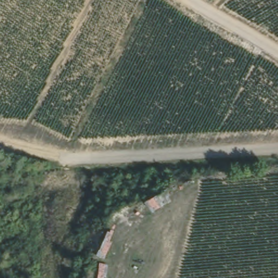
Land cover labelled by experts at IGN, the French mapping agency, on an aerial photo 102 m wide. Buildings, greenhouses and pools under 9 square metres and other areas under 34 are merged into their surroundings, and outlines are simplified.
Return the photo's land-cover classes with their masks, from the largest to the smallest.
<instances>
[{"label":"vineyard","instance_id":"1","mask_svg":"<svg viewBox=\"0 0 278 278\"><path fill-rule=\"evenodd\" d=\"M0 134L26 142L37 139L65 149L153 150L278 142V60L260 46L254 45L251 40L232 33L216 22L205 20L198 12L175 0H0ZM208 1L213 8L235 18L278 45V0H202ZM179 278H278V166H270L269 172L263 178H258L252 172L250 168L241 170L233 166L226 175L222 179L202 180L201 194Z\"/></svg>","mask_w":278,"mask_h":278},{"label":"brushwood","instance_id":"2","mask_svg":"<svg viewBox=\"0 0 278 278\"><path fill-rule=\"evenodd\" d=\"M256 155L247 150L233 149L230 153L207 151L204 159L195 160L142 161L89 169L76 166L74 177L79 181L81 192L79 204L71 222L68 223V233L60 243L53 242L51 249L53 253L58 252L71 261L68 267H56L60 278H88L85 269L88 266L81 264V258L87 260L89 254L98 253L106 232L111 230L108 222L114 213L132 202H147L162 194L175 180L182 185V182L191 180L192 175L207 176L222 172L226 175L233 166L241 170L250 168L252 172L257 168ZM60 164L58 162L46 159L45 162H36L0 150V278H41L42 251L37 247L42 237V202L33 193L35 186L42 185Z\"/></svg>","mask_w":278,"mask_h":278},{"label":"herbaceous vegetation","instance_id":"3","mask_svg":"<svg viewBox=\"0 0 278 278\"><path fill-rule=\"evenodd\" d=\"M76 166L60 164L42 185L35 186L33 193L42 202V237L37 247L42 251L41 278H60L56 267H68L71 261L58 252L53 253L51 249L53 242L60 243L68 233V223L71 222L79 204L81 192L79 181L74 177ZM226 175L222 172L207 176L192 175L191 180L182 182V185L175 180L162 194L147 202H132L114 213L108 222L111 230L106 232L98 253L89 254L87 260L81 258V264L88 266L85 269L88 278H179L201 194L202 180L222 179Z\"/></svg>","mask_w":278,"mask_h":278},{"label":"impervious surface","instance_id":"4","mask_svg":"<svg viewBox=\"0 0 278 278\"><path fill-rule=\"evenodd\" d=\"M233 149L247 150L256 155H278V142L153 150L65 149L58 162L60 164L76 166L89 169L142 161L195 160L204 159L207 151L230 153Z\"/></svg>","mask_w":278,"mask_h":278},{"label":"pervious surface","instance_id":"5","mask_svg":"<svg viewBox=\"0 0 278 278\"><path fill-rule=\"evenodd\" d=\"M198 12L205 20L216 22L232 33L251 40L254 45L260 46L278 60V45L235 18L213 8L208 1L202 0H175ZM0 150L36 162H45L46 159L58 162L65 149L37 139L26 142L0 134Z\"/></svg>","mask_w":278,"mask_h":278},{"label":"deciduous trees","instance_id":"6","mask_svg":"<svg viewBox=\"0 0 278 278\"><path fill-rule=\"evenodd\" d=\"M257 168L252 172L258 178H263L269 172L270 166H278V155H256Z\"/></svg>","mask_w":278,"mask_h":278}]
</instances>
